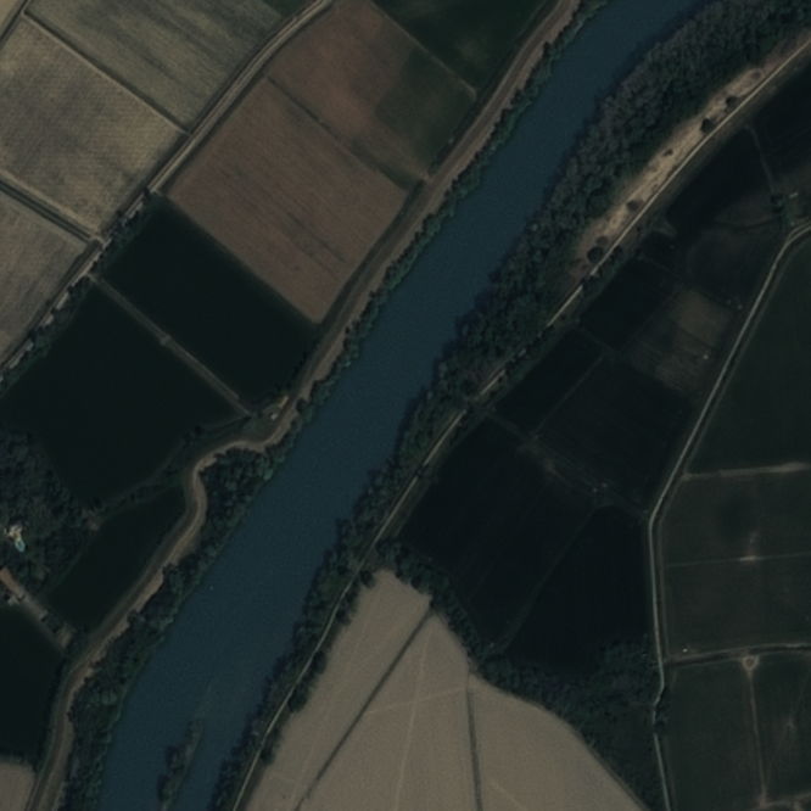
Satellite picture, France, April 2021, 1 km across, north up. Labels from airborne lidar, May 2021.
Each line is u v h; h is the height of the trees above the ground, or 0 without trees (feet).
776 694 0
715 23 71
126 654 52
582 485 0
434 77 0
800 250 0
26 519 59
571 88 0
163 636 31
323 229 0
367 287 0
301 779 0
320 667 57
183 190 0
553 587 0
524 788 0
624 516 0
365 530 47
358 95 0
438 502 0
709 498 0
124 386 0
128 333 0
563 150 0
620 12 0
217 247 0
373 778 0
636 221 0
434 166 0
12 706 0
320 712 0
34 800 0
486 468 0
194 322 0
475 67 0
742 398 0
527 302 81
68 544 30
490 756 0
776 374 0
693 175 0
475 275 0
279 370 0
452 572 0
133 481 0
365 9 0
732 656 0
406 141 0
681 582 0
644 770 0
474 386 64
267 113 0
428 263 0
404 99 0
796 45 33
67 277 0
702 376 0
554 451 0
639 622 0
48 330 36
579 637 0
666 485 0
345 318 0
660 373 0
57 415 0
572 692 46
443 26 0
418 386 0
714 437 0
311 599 30
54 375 0
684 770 0
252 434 0
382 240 0
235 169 0
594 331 0
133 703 0
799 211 0
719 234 0
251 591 0
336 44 0
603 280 29
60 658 0
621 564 0
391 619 0
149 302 0
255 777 0
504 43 0
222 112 0
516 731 0
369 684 0
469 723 0
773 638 0
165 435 0
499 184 0
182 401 0
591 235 0
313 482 0
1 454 76
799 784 0
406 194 0
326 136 0
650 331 0
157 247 0
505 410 0
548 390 0
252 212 0
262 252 0
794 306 0
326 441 0
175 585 88
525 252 55
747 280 0
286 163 0
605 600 0
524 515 0
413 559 68
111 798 0
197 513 0
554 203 65
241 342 0
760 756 0
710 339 0
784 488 0
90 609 0
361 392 0
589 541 0
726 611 0
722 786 0
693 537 0
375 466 0
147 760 0
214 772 0
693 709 0
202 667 0
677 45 79
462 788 0
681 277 0
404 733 0
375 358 0
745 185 0
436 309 0
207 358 0
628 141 46
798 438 0
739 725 0
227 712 0
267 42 0
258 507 0
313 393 30
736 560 0
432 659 0
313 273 0
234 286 0
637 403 0
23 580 51
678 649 0
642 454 0
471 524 0
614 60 0
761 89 0
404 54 0
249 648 0
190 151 0
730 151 0
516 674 34
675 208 0
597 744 33
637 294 0
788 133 0
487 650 52
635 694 19
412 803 0
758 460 0
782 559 0
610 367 0
